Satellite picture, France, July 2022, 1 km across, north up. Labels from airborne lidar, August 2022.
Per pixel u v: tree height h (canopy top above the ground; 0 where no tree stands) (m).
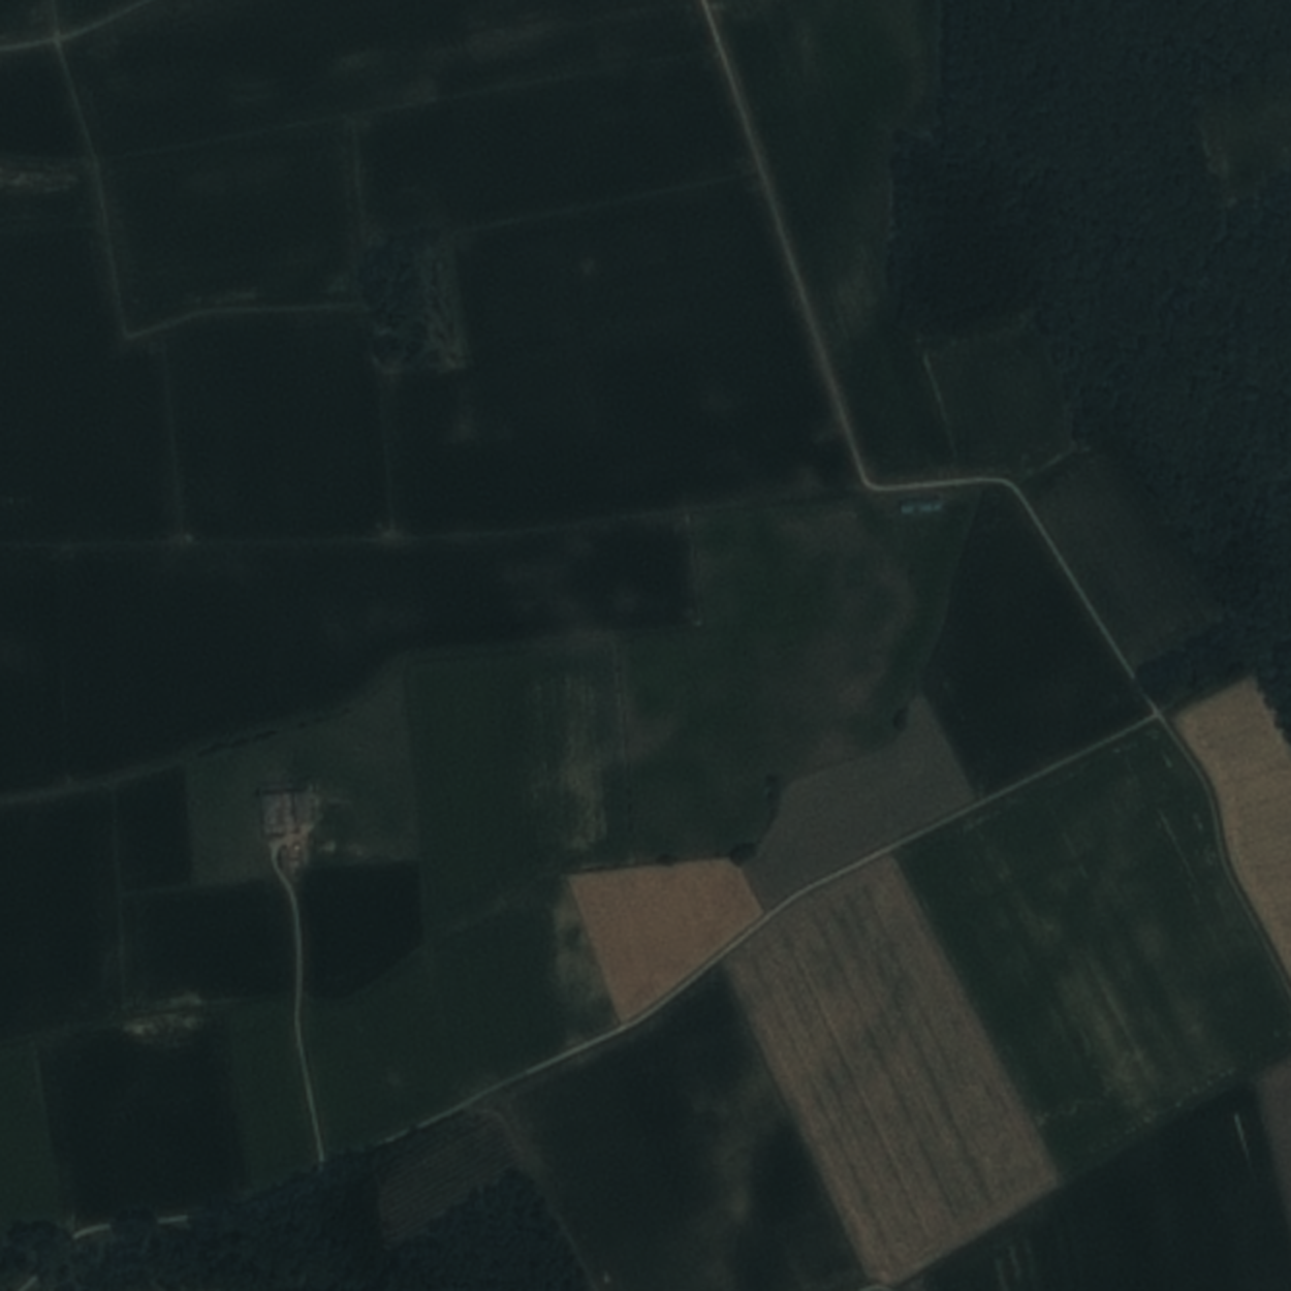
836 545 0
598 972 0
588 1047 0
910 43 0
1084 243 27
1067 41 24
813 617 0
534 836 0
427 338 22
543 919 0
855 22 0
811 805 0
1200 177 24
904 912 0
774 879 0
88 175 0
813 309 0
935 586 0
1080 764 0
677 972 0
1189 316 27
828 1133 0
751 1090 0
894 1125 0
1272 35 26
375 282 23
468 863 0
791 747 0
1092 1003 0
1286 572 29
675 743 0
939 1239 0
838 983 0
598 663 0
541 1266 18
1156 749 0
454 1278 19
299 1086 0
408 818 0
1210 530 25
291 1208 25
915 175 18
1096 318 25
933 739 0
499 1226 15
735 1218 0
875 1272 0
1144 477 15
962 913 0
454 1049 0
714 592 0
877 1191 0
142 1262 26
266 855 0
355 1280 22
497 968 0
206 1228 18
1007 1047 0
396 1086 0
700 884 0
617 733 0
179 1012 0
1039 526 0
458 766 0
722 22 0
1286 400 28
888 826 0
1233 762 0
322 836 0
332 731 0
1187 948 0
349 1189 15
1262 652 21
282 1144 0
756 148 0
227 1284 24
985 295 23
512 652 0
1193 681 7
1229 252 26
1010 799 0
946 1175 0
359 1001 0
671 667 0
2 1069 0
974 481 0
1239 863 0
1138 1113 0
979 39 23
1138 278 30
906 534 0
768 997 0
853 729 0
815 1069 0
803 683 0
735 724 0
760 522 0
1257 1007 0
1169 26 21
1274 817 0
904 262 17
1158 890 0
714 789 0
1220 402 22
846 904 0
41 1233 14
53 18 0
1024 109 24
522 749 0
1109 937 0
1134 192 25
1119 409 22
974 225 24
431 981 0
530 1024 0
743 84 0
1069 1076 0
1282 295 29
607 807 0
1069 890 0
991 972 0
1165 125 23
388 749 0
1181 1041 0
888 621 0
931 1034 0
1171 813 0
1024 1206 0
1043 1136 0
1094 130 25
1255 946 0
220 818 0
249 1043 0
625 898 0
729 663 0
